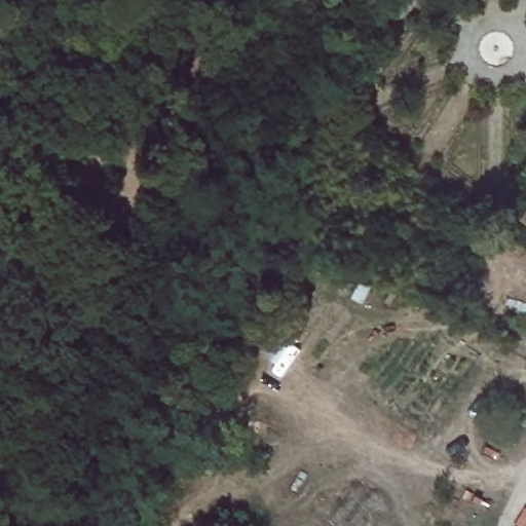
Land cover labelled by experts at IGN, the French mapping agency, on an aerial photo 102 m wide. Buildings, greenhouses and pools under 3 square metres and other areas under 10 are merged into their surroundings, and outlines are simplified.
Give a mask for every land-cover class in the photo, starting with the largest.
<instances>
[{"label":"deciduous trees","instance_id":"1","mask_svg":"<svg viewBox=\"0 0 526 526\"><path fill-rule=\"evenodd\" d=\"M491 2H499L501 10H514L520 0H0V526H168L173 516L179 514L183 505V497L193 493L191 479L203 477L205 471H216L218 475L247 471L249 475H261L269 471L273 452L261 454L255 452V448L257 444L271 446L277 438L286 436V419L269 403L257 399V395H249V386L255 380L259 353H277L284 347H290L294 339L302 337L308 327L310 308L318 302H333L337 294H349L353 298L358 286H366L376 296H386L382 310L423 308L427 321L448 325L450 335L460 337L466 333H477L481 341L499 343V353L503 355H512L518 347V341L526 339V312L508 308L501 314L495 312V308L491 306V296L485 292V281L489 277V259L510 253L516 247H522L526 251V76H503L497 84H493L487 78H477L475 74H471L462 62H452V53L460 37L458 21H471L477 14H483L485 6ZM473 411L477 413L475 427L481 436L483 448H489L499 454L503 448H512L520 444L522 438H526V388L516 378L497 376L489 384H485L481 395L473 401ZM446 450L450 454V460L458 468H462L468 458V446H456L454 442H448ZM456 483L444 475H438L434 483V495L448 505L454 497ZM183 526H273L271 514L261 497L245 501L232 497H218L205 512H197L191 522H185Z\"/></svg>","mask_w":526,"mask_h":526},{"label":"herbaceous vegetation","instance_id":"2","mask_svg":"<svg viewBox=\"0 0 526 526\"><path fill-rule=\"evenodd\" d=\"M489 277L485 281V292L491 296V306L495 308V312L501 314L508 308L526 312V251L522 247H516L510 253L489 259ZM386 296H376L366 286H358L353 298L349 294H337L333 302H318L310 308L308 327L302 337L294 339L290 347H284L277 353H259L255 380L249 386V395H257V399L269 403L286 419V436L277 438L271 446L257 444L255 448V452L261 454L273 452L269 471L261 475H249L247 471L218 475L216 471H205L203 477L191 479L193 493L183 497V505L179 514L173 516L168 526H183L185 522H191L197 512H205L218 497H232L245 501L261 497L271 514L273 526H497L516 487L514 481L505 485L501 483L499 468L505 464H518L526 458V438H522L520 444L512 448H503L499 454L489 448H483L481 436L475 427L477 413L473 411V401L481 395L485 384H489L497 376L516 378L526 388V339L518 341V347L512 355H503L499 353V343L481 341L477 333H466L460 337L450 335L448 325L427 321L423 308L382 310ZM448 442H454L456 446H468V458L462 468H458L450 460V454L446 450ZM438 475H444L456 483L454 497L448 505L434 495V483Z\"/></svg>","mask_w":526,"mask_h":526},{"label":"impervious surface","instance_id":"3","mask_svg":"<svg viewBox=\"0 0 526 526\"><path fill-rule=\"evenodd\" d=\"M460 37L452 53V62H462L471 74H475L477 78H487L493 84H497L503 76H526V0H520L514 10H501L499 2H491L485 6L483 14H477L471 21H458Z\"/></svg>","mask_w":526,"mask_h":526},{"label":"pervious surface","instance_id":"4","mask_svg":"<svg viewBox=\"0 0 526 526\"><path fill-rule=\"evenodd\" d=\"M501 483L505 485L514 481L516 487L497 526H526V458L518 464H505L499 468Z\"/></svg>","mask_w":526,"mask_h":526}]
</instances>
